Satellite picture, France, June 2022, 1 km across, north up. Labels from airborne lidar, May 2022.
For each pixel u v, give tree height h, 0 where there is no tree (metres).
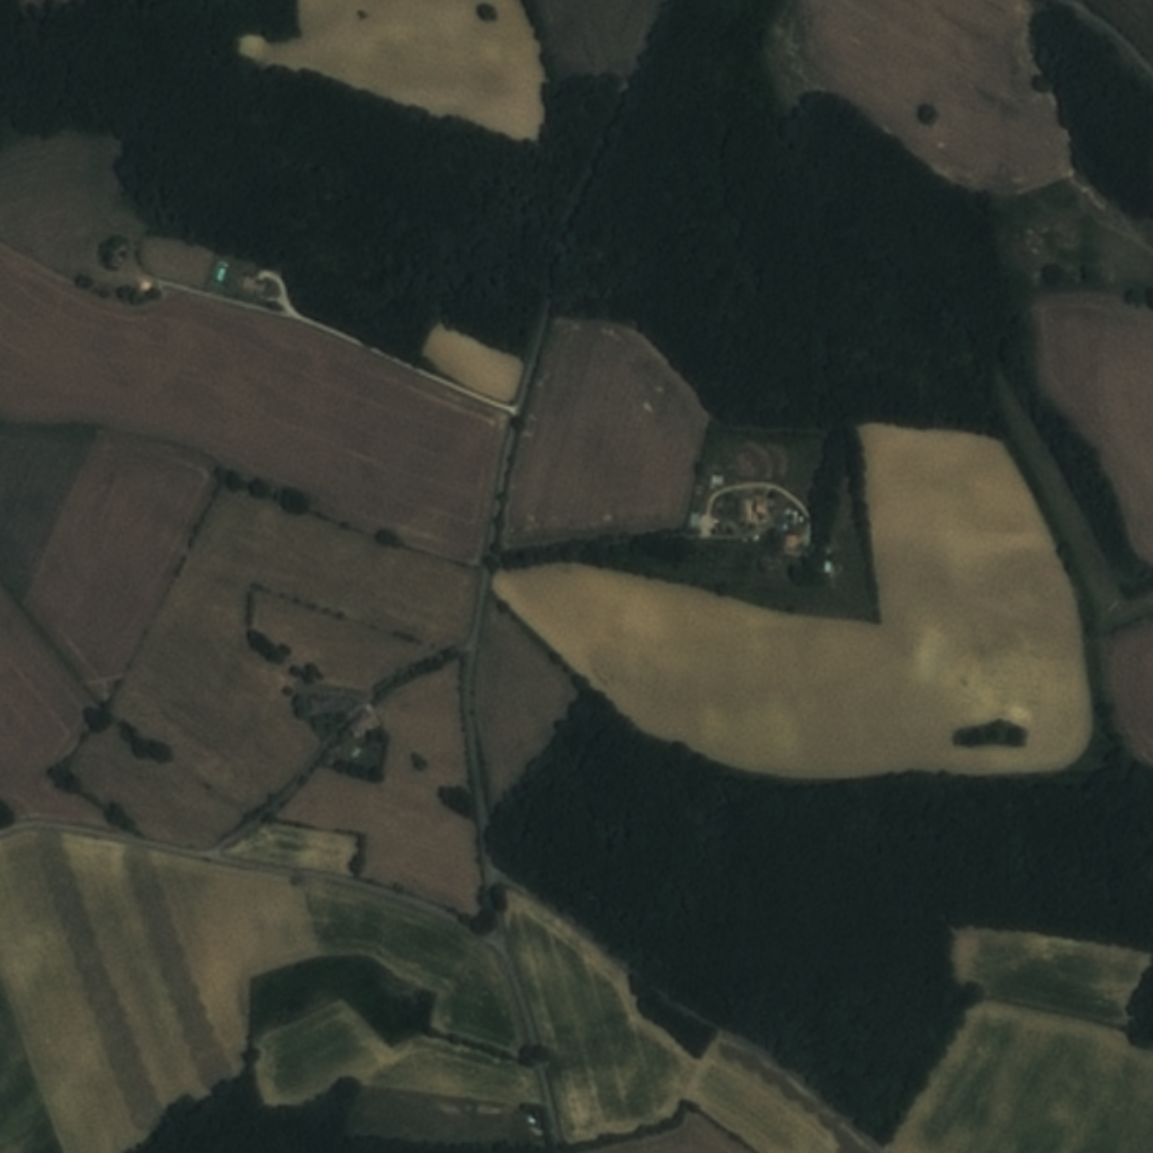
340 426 0
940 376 14
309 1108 13
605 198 18
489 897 12
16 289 0
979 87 0
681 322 17
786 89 0
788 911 17
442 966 0
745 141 18
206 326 0
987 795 23
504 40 0
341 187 24
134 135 22
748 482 0
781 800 17
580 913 10
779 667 0
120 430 0
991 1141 0
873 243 22
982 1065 0
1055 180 0
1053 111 0
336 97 20
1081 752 0
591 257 15
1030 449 0
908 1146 0
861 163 17
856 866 16
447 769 0
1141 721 0
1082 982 0
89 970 0
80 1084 0
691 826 19
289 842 0
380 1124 0
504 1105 0
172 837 0
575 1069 0
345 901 0
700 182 22
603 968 0
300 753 0
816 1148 0
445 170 17
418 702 0
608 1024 0
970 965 0
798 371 17
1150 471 0
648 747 21
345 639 0
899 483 0
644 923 20
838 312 21
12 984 0
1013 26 0
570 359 0
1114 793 25
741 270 13
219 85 27
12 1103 0
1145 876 22
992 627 0
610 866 21
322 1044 0
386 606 0
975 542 0
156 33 25
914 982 22
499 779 0
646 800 20
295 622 0
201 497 0
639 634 0
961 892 19
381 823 0
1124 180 13
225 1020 0
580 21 0
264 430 0
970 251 17
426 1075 0
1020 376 8
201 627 0
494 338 18
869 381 11
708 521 0
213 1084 0
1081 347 0
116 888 0
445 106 0
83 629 0
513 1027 0
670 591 0
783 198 21
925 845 20
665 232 17
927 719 0
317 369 0
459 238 17
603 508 0
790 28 0
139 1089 0
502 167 18
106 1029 0
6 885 0
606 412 0
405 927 0
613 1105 0
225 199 16
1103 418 0
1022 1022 0
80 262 0
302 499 16
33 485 0
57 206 0
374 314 12
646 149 18
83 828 0
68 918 0
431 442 0
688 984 12
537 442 0
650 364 0
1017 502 0
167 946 0
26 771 0
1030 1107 0
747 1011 17
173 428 0
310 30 0
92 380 0
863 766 0
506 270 13
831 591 0
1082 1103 0
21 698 0
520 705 0
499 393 0
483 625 0
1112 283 0
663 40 14
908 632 0
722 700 0
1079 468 20
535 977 0
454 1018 0
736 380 17
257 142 21
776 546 8
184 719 0
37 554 0
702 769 11
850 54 0
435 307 25
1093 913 18
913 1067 16
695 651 0
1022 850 17
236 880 0
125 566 0
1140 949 13
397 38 0
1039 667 0
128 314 0
